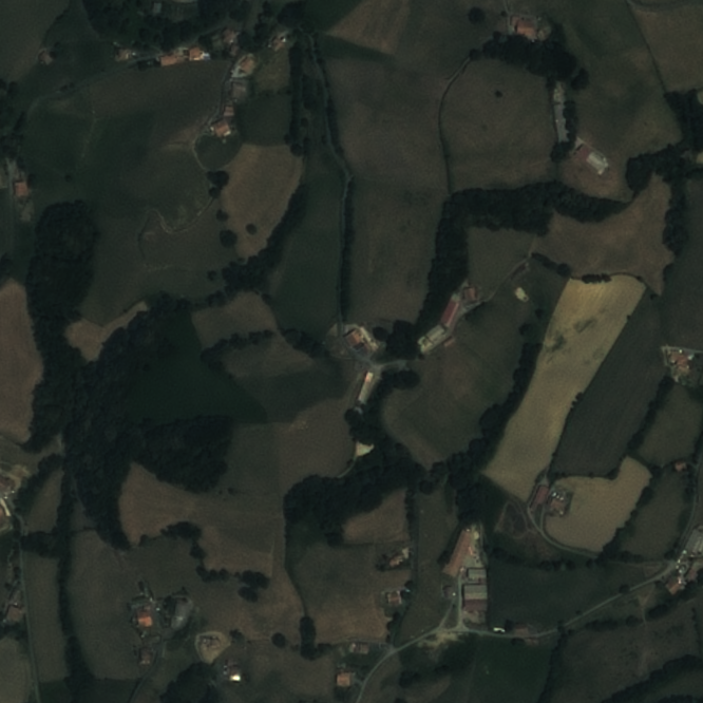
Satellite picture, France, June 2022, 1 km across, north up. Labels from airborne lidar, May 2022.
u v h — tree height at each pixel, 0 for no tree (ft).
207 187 0
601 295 0
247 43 50
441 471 59
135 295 0
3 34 0
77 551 0
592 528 0
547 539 0
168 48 46
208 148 0
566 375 0
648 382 0
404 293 0
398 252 0
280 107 0
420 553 0
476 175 0
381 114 0
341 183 0
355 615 0
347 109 0
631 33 0
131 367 65
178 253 0
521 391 32
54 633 0
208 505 0
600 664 0
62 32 0
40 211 0
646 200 0
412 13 0
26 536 26
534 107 0
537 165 0
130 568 0
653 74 0
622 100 0
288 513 54
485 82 0
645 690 42
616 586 0
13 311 0
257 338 52
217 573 46
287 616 0
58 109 0
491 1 0
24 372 0
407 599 41
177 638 20
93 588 0
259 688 0
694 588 58
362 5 0
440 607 0
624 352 0
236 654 0
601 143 0
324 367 0
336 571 0
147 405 0
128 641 0
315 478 43
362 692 0
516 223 64
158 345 44
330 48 0
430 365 0
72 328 0
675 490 0
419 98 0
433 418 0
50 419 73
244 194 0
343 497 83
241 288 51
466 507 65
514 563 50
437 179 0
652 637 0
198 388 0
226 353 40
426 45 0
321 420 0
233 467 0
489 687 0
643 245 0
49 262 65
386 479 81
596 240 0
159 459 63
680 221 62
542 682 0
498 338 0
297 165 0
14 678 0
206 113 0
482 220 78
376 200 0
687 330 0
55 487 0
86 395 84
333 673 0
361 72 0
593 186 0
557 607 0
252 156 0
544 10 0
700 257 0
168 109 0
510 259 0
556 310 0
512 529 0
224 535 0
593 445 0
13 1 0
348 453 0
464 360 0
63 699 0
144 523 0
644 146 0
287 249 0
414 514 40
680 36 0
